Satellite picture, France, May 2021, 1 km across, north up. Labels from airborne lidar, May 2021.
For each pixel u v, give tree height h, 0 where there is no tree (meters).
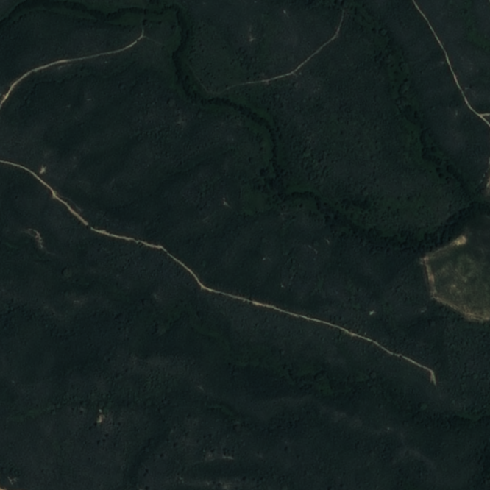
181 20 9
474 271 0
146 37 0
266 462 6
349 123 7
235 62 7
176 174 6
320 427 8
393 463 13
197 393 6
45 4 13
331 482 6
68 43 0
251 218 6
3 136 0
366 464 7
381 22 9
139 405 9
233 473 7
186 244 6
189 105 6
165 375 7
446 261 0
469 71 0
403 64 14
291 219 7
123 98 6
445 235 17
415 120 18
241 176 11
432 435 7
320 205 13
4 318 10
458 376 6
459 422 16
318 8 7
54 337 10
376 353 6
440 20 0
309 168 10
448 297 0
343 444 8
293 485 7
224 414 8
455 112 0
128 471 6
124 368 8
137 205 7
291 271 6
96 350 6
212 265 6
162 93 7
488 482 8
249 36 0
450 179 12
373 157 8
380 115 6
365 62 6
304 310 6
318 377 16
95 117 6
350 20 6
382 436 6
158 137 9
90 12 10
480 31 0
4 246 6
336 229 13
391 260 5
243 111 27
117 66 8
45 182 0
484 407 8
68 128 7
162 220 6
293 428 12
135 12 10
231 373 7
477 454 11
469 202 6
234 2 0
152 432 6
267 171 22
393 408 8
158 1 10
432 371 0
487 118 0
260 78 9
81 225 8
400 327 6
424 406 12
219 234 8
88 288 6
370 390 9
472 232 0
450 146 0
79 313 8
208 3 0
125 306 5
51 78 6
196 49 6
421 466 6
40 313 8
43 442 0
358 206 12
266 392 7
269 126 11
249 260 6
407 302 7
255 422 7
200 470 8
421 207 6
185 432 10
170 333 7
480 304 0
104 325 6
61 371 7
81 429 5
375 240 13
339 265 10
